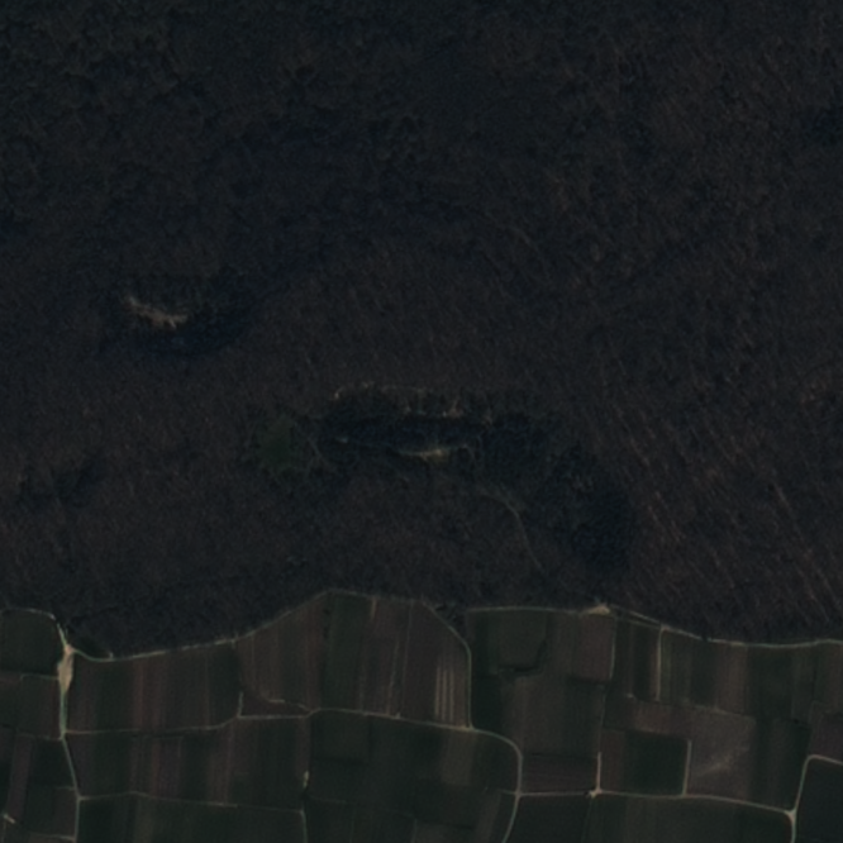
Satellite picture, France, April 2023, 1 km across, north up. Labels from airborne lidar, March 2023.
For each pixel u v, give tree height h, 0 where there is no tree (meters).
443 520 18
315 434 16
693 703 0
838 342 20
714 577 27
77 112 27
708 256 23
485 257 24
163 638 22
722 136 16
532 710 0
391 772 0
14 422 17
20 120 23
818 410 21
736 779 0
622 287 22
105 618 19
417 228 23
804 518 30
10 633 0
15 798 0
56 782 0
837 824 0
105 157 24
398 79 18
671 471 20
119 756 0
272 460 0
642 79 23
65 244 20
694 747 0
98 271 16
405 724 0
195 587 22
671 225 19
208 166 18
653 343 15
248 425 19
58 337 25
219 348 9
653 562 23
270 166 27
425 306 23
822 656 0
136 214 26
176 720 0
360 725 0
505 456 16
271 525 23
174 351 10
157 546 27
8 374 20
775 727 0
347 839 0
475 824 0
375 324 22
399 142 18
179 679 0
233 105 17
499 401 19
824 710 0
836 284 23
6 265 27
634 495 20
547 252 13
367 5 23
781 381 24
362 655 0
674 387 26
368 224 23
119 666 0
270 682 0
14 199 23
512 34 15
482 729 0
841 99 16
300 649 0
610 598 13
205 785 0
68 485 19
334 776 0
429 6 16
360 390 12
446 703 0
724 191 15
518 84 16
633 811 0
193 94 23
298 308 21
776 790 0
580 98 27
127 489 28
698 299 25
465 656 0
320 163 20
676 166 18
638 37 23
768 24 11
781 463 28
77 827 0
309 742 0
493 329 21
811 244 18
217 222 22
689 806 0
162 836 0
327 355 18
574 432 14
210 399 19
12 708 0
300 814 0
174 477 22
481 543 20
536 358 21
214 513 24
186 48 26
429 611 0
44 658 0
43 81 21
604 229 23
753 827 0
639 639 0
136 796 0
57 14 28
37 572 22
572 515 19
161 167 20
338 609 0
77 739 0
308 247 22
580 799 0
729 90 17
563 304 20
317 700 0
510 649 0
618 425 20
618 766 0
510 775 0
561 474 12
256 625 16
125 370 20
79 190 22
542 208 19
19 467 15
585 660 0
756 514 26
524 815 0
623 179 17
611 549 14
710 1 16
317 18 17
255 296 14
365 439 13
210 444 24
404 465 12
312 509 24
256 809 0
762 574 30
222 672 0
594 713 0
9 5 20
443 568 24
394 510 23
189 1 20
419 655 0
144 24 21
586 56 24
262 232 27
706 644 0
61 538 20
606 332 21
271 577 18
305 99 21
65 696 0
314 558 23
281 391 18
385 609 0
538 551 23
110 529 28
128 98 27
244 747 0
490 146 25
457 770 0
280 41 23
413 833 0
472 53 17
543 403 14
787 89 22
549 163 19
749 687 0
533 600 10
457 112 17
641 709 0
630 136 22
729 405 25
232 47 18
